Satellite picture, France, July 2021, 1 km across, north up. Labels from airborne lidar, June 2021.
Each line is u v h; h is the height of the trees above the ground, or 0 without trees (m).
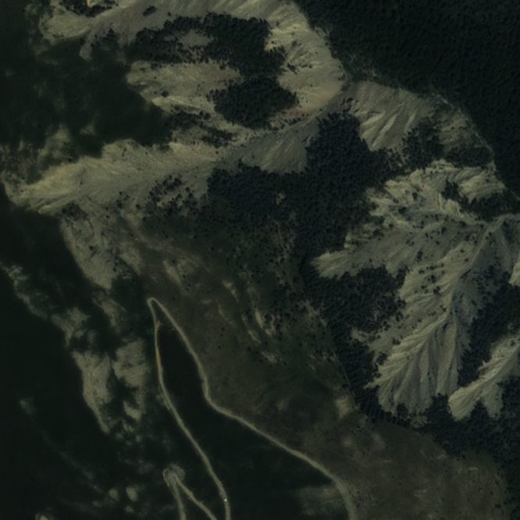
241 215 10
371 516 0
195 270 0
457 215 0
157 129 0
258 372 0
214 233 0
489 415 10
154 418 0
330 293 12
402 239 0
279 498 0
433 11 16
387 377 0
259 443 0
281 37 0
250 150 0
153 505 0
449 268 0
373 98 0
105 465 0
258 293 0
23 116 0
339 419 0
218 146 9
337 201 11
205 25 7
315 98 0
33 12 0
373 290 9
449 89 11
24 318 0
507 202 7
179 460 0
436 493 0
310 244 7
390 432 0
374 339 6
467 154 11
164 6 0
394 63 14
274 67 7
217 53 12
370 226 0
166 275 0
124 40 0
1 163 0
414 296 0
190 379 0
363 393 11
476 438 9
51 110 0
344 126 13
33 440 0
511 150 17
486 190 0
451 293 0
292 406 0
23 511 0
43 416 0
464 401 0
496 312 13
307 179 13
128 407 0
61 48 0
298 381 0
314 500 0
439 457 0
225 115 15
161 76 0
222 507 0
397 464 0
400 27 17
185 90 0
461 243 0
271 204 11
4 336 0
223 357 0
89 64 0
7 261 0
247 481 0
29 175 0
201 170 0
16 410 0
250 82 6
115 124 0
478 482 0
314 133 0
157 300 0
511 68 18
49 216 0
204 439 0
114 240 0
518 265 0
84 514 0
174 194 0
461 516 0
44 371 0
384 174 7
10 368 0
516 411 7
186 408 0
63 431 0
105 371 0
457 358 0
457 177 0
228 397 0
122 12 0
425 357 0
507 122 14
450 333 0
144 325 0
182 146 0
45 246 0
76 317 0
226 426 0
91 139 0
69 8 7
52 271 0
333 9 18
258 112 12
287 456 0
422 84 9
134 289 0
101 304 0
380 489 0
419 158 10
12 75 0
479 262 0
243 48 17
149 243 0
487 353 7
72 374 0
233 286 0
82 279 0
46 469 0
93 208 0
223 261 0
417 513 0
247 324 0
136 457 0
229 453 0
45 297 0
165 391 0
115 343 0
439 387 0
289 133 0
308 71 0
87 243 0
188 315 0
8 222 0
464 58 19
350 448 0
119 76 0
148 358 0
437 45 18
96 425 0
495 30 8
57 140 0
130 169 0
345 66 6
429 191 0
